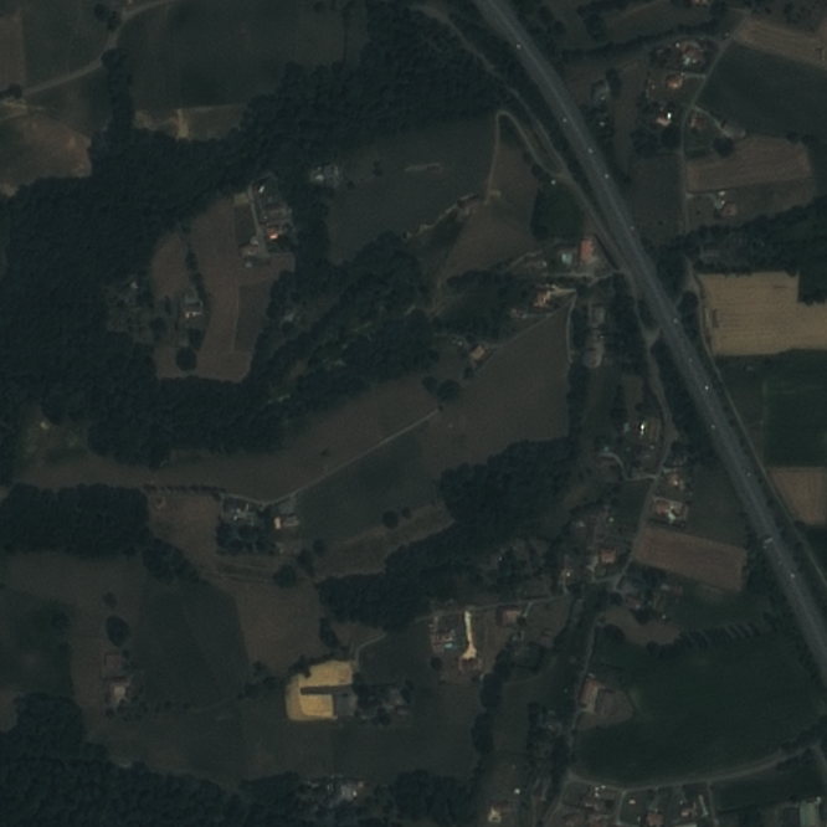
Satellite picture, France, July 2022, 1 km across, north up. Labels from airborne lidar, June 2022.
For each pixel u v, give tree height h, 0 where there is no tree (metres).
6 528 20
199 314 0
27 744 29
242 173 27
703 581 0
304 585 0
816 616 0
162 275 0
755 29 0
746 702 0
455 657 0
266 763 0
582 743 0
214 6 0
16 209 28
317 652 0
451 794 25
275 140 11
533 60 0
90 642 0
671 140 16
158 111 0
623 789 0
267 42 0
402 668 0
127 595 0
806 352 0
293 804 13
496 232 0
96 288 20
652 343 0
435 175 0
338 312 21
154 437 26
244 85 0
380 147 0
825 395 0
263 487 0
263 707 0
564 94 0
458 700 0
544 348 0
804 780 0
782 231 0
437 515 0
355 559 0
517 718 0
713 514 0
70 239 18
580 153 0
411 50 12
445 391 14
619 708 0
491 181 0
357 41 0
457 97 21
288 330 17
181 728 0
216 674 0
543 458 28
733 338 0
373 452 0
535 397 0
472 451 0
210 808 31
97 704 0
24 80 0
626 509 0
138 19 0
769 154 0
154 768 0
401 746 0
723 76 0
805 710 0
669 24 0
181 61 0
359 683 12
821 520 0
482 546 25
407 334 27
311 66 0
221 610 0
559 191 0
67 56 0
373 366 25
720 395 7
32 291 18
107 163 25
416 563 25
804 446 0
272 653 0
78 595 0
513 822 0
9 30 0
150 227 19
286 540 0
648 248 12
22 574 0
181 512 0
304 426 0
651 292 0
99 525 21
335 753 0
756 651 0
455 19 9
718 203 0
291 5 0
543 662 7
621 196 0
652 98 0
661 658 15
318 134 25
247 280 0
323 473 0
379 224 0
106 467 0
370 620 20
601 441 7
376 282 30
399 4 19
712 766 0
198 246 0
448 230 0
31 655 0
